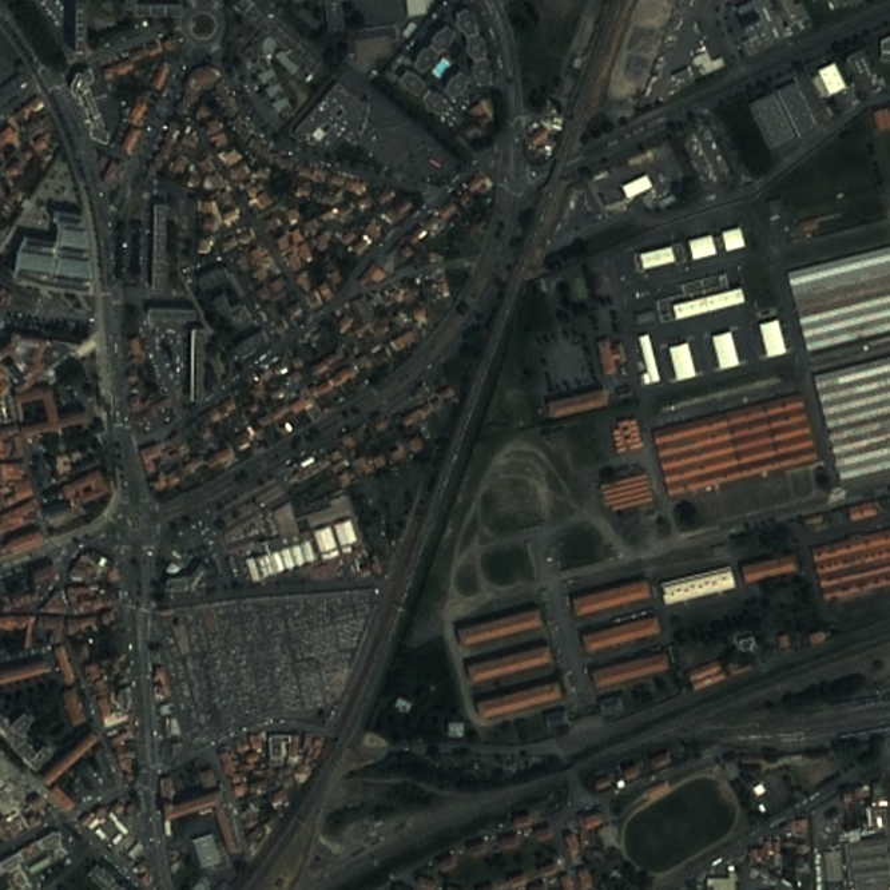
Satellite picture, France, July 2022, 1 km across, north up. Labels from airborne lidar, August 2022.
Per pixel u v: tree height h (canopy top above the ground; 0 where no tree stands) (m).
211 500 0
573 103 0
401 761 12
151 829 0
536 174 0
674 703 0
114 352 0
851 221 0
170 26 24
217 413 0
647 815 0
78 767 19
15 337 0
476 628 0
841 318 0
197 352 0
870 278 0
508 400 0
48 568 0
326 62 8
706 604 0
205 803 0
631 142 0
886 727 0
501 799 0
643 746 0
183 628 0
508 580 0
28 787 0
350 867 0
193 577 0
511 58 0
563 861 0
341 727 0
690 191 16
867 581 0
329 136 0
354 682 0
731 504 0
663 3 0
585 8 0
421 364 0
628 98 0
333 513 0
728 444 0
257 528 0
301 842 0
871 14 0
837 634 9
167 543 0
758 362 0
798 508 0
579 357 0
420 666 7
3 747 10
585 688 0
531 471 0
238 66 14
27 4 23
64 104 0
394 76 0
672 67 0
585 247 16
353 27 15
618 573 0
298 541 0
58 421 0
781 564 0
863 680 9
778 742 0
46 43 23
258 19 0
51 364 0
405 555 0
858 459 0
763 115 0
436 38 0
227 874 0
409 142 0
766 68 0
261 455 0
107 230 0
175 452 0
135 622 0
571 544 0
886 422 0
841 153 0
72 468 11
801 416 0
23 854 0
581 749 0
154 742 0
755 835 0
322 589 0
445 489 0
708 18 0
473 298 6
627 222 0
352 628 0
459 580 0
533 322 0
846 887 0
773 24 0
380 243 0
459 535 0
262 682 0
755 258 0
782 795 0
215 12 0
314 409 0
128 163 0
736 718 0
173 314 0
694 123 12
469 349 10
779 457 0
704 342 0
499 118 17
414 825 0
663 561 0
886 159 0
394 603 0
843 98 0
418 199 9
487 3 0
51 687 9
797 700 12
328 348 0
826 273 0
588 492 0
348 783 0
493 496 0
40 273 0
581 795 0
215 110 12
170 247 16
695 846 0
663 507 0
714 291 0
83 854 0
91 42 22
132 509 0
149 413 0
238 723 0
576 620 0
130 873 0
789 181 0
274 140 9
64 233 0
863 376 0
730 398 0
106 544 0
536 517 0
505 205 0
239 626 0
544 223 0
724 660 9
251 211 6
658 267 0
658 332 0
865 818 9
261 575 0
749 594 0
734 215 0
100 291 0
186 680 0
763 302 0
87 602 0
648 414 0
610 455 0
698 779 0
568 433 0
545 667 0
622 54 0
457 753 8
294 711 0
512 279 0
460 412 6
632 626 0
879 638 0
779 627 0
